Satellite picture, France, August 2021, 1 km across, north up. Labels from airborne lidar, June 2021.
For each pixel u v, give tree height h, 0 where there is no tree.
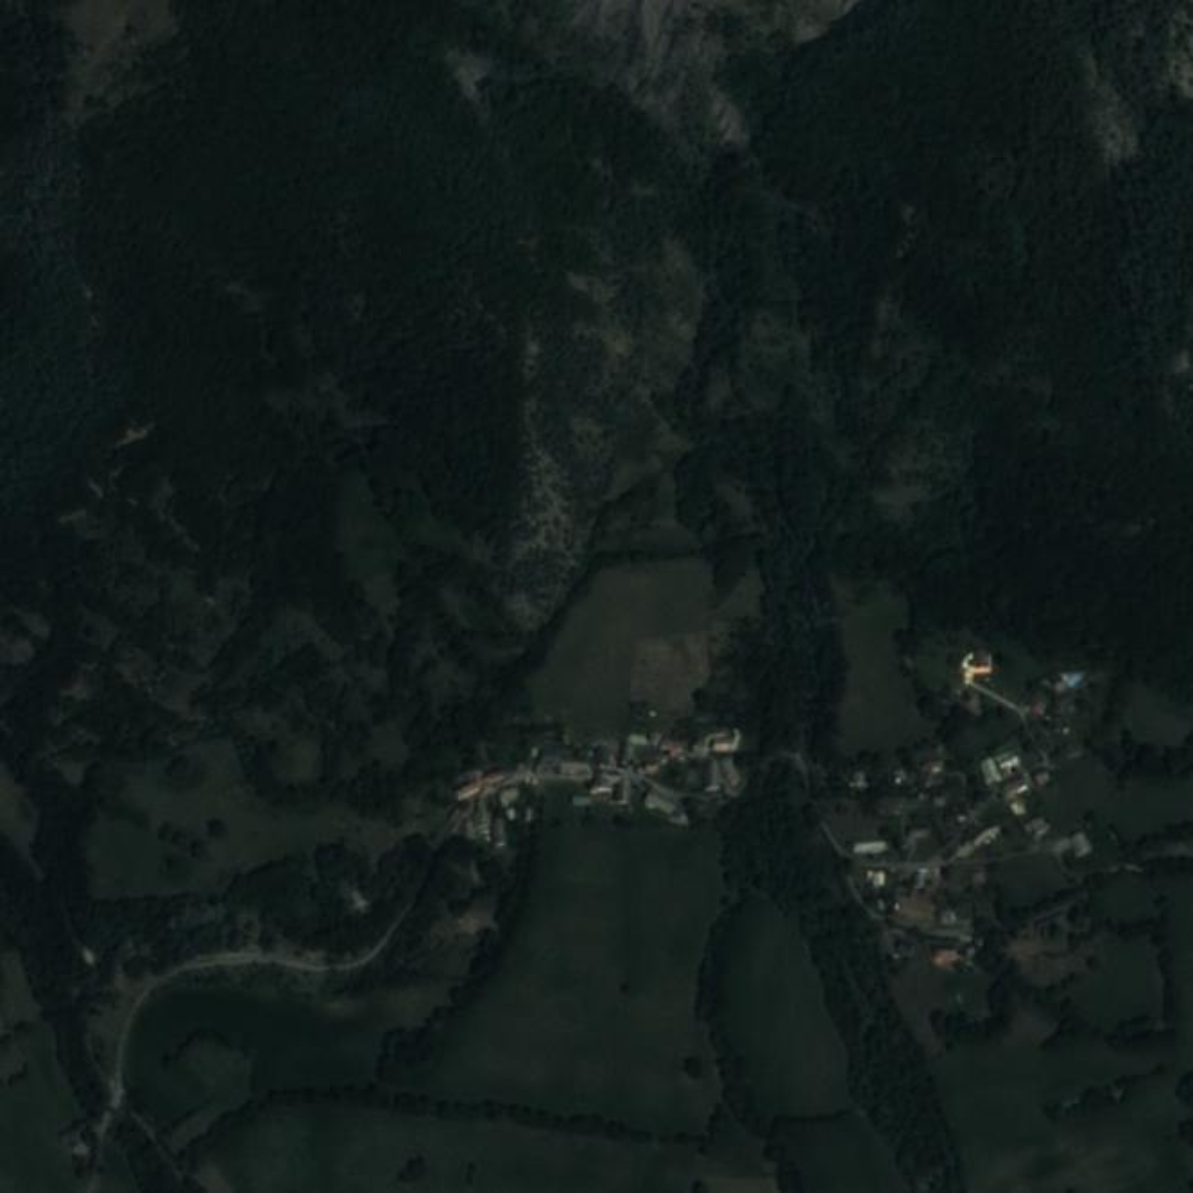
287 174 27
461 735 20
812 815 14
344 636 13
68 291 14
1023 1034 0
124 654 14
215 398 21
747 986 0
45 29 11
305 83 16
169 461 21
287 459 20
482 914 0
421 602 19
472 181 11
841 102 13
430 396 14
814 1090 0
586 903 0
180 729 8
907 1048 12
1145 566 15
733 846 14
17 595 18
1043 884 0
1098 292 20
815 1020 0
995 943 13
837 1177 0
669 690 0
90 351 12
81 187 7
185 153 20
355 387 19
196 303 21
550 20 10
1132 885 0
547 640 14
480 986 13
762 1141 11
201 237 18
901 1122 12
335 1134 0
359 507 0
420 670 6
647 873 0
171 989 6
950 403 8
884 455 6
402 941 14
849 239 20
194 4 16
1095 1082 0
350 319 19
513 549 7
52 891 19
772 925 0
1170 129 28
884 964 9
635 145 17
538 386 10
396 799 14
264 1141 0
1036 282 16
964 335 19
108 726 17
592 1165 0
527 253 11
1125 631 23
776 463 17
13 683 25
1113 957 0
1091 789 0
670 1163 0
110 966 16
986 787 6
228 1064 0
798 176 18
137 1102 12
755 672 12
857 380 13
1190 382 6
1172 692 14
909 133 15
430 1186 0
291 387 14
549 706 0
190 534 9
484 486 13
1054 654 13
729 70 11
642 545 0
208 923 26
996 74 22
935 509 7
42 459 11
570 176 17
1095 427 12
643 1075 0
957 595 18
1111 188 16
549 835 13
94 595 20
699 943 0
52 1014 14
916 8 14
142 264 22
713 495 14
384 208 19
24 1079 11
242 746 6
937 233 12
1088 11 17
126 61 7
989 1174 0
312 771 0
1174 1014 15
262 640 14
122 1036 0
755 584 0
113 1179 0
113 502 10
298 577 17
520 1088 0
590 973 0
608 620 0
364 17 26
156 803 0
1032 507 16
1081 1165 0
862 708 0
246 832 0
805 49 7
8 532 18
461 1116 7
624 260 7
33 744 18
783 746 16
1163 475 19
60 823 13
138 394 15
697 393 15
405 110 18
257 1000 0
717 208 14
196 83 15
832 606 16
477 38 13
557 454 8
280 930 12
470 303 11
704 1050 0
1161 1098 0
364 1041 0
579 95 11
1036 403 18
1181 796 0
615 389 7
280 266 16
